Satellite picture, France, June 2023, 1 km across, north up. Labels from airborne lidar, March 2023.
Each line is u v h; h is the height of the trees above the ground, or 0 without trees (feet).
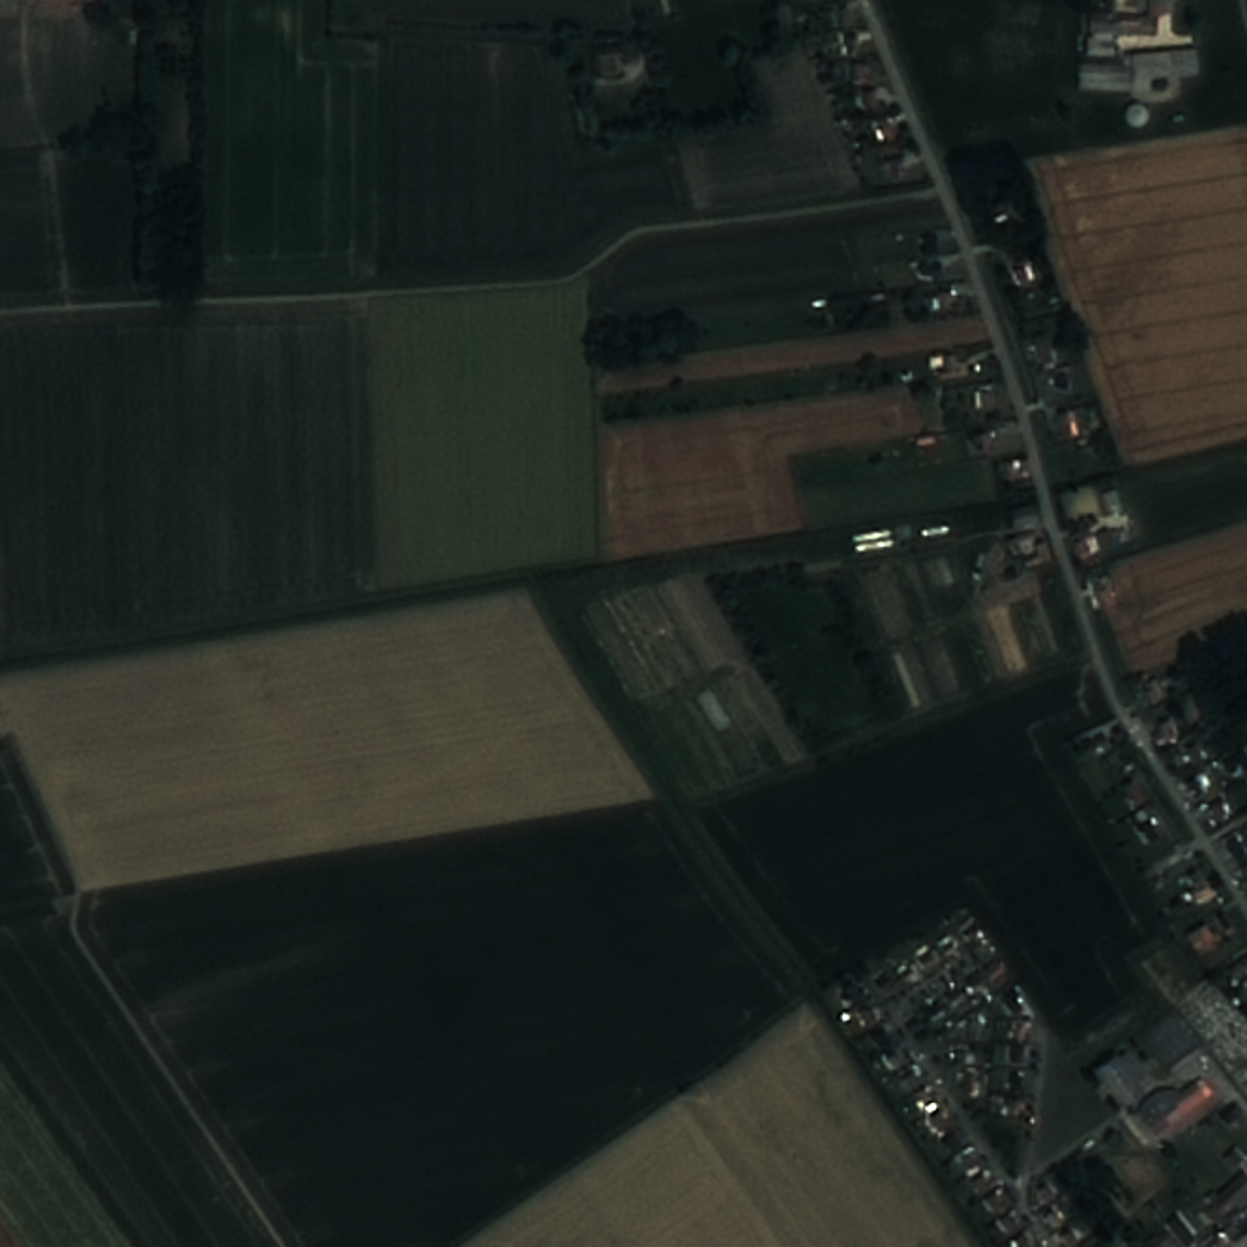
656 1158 0
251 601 0
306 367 0
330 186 0
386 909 0
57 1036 0
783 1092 0
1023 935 0
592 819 0
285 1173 0
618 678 0
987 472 0
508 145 0
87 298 0
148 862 0
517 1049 0
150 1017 0
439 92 0
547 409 0
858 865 0
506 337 0
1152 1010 0
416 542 0
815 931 0
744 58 44
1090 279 0
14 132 0
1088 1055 0
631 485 0
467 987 0
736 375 0
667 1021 0
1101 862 0
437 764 0
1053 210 0
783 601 0
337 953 0
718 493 0
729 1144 0
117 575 0
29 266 0
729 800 0
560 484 0
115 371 0
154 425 0
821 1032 0
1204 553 0
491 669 0
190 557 0
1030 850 0
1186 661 47
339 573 0
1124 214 0
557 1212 0
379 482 0
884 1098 0
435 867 0
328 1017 0
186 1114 0
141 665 0
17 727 0
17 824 0
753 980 0
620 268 0
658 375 0
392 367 0
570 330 0
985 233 38
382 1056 0
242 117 0
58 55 0
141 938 0
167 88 0
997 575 0
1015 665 0
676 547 0
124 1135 0
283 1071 0
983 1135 0
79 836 0
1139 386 0
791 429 0
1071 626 0
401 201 0
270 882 0
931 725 0
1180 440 0
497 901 0
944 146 0
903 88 0
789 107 0
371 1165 0
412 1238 0
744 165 0
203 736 0
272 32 0
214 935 0
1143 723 0
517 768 0
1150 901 0
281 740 0
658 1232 0
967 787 0
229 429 0
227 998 0
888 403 0
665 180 0
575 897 0
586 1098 0
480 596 0
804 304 0
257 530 0
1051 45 0
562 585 0
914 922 0
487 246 0
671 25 0
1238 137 0
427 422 0
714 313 0
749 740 0
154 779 0
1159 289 0
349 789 0
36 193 0
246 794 0
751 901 0
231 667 0
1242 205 0
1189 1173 0
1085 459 0
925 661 0
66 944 0
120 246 0
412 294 0
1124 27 0
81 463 0
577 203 0
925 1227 0
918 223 0
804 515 0
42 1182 0
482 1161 0
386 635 0
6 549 0
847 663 0
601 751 0
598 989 0
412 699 0
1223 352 0
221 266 0
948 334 0
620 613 0
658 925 0
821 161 0
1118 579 0
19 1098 0
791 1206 0
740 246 0
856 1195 0
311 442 0
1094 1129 0
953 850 0
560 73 0
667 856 0
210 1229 0
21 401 0
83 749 0
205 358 0
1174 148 0
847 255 0
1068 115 49
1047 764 0
